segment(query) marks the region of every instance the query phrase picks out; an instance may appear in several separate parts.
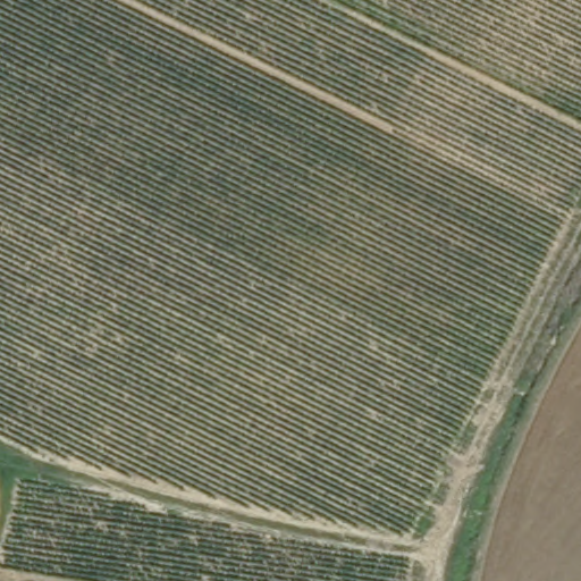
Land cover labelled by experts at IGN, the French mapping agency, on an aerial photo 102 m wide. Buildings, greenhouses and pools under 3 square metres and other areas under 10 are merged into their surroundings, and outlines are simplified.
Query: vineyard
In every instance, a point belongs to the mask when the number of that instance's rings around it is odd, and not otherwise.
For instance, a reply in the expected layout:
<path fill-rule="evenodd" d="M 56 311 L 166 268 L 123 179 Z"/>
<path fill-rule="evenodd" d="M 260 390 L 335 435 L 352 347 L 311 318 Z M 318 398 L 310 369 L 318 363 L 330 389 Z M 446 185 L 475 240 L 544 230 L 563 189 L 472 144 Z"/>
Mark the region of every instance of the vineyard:
<path fill-rule="evenodd" d="M 561 227 L 561 220 L 565 218 L 567 209 L 581 209 L 581 0 L 0 0 L 0 443 L 27 458 L 73 470 L 100 479 L 132 483 L 177 499 L 188 499 L 304 529 L 377 538 L 381 542 L 393 545 L 397 542 L 399 533 L 424 538 L 436 522 L 433 511 L 445 502 L 452 483 L 454 472 L 447 463 L 449 449 L 463 454 L 474 436 L 474 424 L 465 415 L 470 413 L 470 406 L 483 379 L 490 372 L 497 352 L 508 338 L 515 315 L 524 302 L 529 286 L 536 279 L 538 266 L 547 254 L 547 247 L 551 245 Z"/>
<path fill-rule="evenodd" d="M 73 488 L 68 483 L 52 486 L 48 481 L 18 481 L 11 488 L 14 511 L 7 515 L 5 529 L 0 529 L 0 581 L 424 581 L 424 567 L 418 561 L 404 556 L 365 554 L 343 547 L 325 547 L 279 538 L 263 542 L 256 533 L 231 531 L 222 522 L 202 522 L 182 517 L 179 513 L 145 511 L 138 504 L 111 499 L 109 495 L 93 492 L 86 488 Z"/>

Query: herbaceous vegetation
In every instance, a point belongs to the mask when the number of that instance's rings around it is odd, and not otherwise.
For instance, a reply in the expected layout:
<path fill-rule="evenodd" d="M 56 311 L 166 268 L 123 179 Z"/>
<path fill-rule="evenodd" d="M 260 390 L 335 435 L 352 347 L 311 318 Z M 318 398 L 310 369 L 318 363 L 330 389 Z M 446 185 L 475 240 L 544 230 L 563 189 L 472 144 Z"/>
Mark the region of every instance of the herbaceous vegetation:
<path fill-rule="evenodd" d="M 18 481 L 48 481 L 52 486 L 68 483 L 66 479 L 73 470 L 27 458 L 0 443 L 0 529 L 5 529 L 7 515 L 14 511 L 11 488 Z"/>
<path fill-rule="evenodd" d="M 581 256 L 576 266 L 567 272 L 565 284 L 561 286 L 556 302 L 547 315 L 547 322 L 540 329 L 538 343 L 529 352 L 524 370 L 513 384 L 513 397 L 524 397 L 529 404 L 536 397 L 536 388 L 540 386 L 540 381 L 547 377 L 556 354 L 561 354 L 572 322 L 581 313 Z"/>

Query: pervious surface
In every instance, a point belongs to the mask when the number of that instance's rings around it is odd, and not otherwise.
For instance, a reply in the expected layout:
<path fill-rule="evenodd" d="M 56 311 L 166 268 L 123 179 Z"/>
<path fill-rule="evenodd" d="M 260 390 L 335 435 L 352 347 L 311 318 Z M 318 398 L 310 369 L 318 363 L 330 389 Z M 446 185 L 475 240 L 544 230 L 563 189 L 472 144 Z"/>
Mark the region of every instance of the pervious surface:
<path fill-rule="evenodd" d="M 256 533 L 263 542 L 279 538 L 325 547 L 343 547 L 365 554 L 404 556 L 418 561 L 424 567 L 424 581 L 443 581 L 454 533 L 461 524 L 463 502 L 470 495 L 474 477 L 483 470 L 483 456 L 492 438 L 492 431 L 502 422 L 504 411 L 513 397 L 513 384 L 524 370 L 529 352 L 538 343 L 540 329 L 547 322 L 547 315 L 556 302 L 561 286 L 565 284 L 567 272 L 576 266 L 581 256 L 581 209 L 567 209 L 565 218 L 561 220 L 561 227 L 551 245 L 547 247 L 547 254 L 538 266 L 536 279 L 529 286 L 524 302 L 515 315 L 508 338 L 497 352 L 490 372 L 483 379 L 470 406 L 470 413 L 465 415 L 474 424 L 474 436 L 463 454 L 449 449 L 447 463 L 454 472 L 452 483 L 445 502 L 433 511 L 436 522 L 424 538 L 399 533 L 397 542 L 393 545 L 381 542 L 377 538 L 304 529 L 188 499 L 177 499 L 132 483 L 100 479 L 73 470 L 66 479 L 68 483 L 73 488 L 86 488 L 93 492 L 109 495 L 111 499 L 138 504 L 145 511 L 179 513 L 182 517 L 202 522 L 222 522 L 231 531 Z"/>

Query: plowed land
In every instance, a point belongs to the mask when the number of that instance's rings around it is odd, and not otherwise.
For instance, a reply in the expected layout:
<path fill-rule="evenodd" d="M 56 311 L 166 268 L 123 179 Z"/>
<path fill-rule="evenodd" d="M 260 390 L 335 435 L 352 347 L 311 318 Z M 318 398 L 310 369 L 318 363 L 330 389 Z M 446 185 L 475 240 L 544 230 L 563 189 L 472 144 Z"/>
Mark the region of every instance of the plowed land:
<path fill-rule="evenodd" d="M 536 388 L 536 397 L 529 404 L 490 502 L 490 517 L 479 538 L 472 581 L 581 581 L 581 313 L 572 322 L 561 354 L 556 354 L 547 377 L 540 381 L 540 386 Z"/>

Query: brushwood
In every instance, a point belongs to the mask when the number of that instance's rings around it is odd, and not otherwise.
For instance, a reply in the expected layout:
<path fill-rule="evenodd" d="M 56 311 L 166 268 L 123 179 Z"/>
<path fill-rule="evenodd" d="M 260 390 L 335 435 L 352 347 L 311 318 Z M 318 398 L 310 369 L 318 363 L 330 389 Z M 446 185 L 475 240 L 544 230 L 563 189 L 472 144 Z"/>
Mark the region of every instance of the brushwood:
<path fill-rule="evenodd" d="M 474 477 L 470 495 L 463 502 L 461 524 L 454 533 L 443 581 L 472 581 L 479 538 L 490 517 L 490 502 L 529 404 L 524 397 L 513 397 L 504 411 L 502 422 L 492 431 L 492 438 L 483 456 L 483 470 Z"/>

